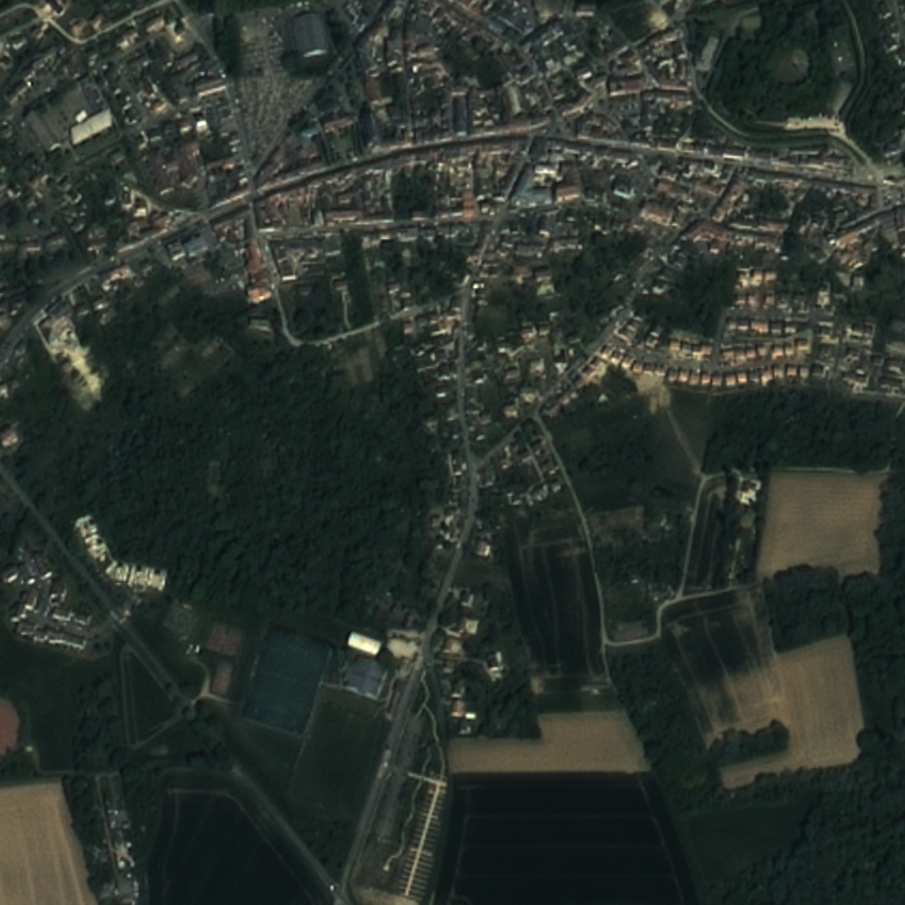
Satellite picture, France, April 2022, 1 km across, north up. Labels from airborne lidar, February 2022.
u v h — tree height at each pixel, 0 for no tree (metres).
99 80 9
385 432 6
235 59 13
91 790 16
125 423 6
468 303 0
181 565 13
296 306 0
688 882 0
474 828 0
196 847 0
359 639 0
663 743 6
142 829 8
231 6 24
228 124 0
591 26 7
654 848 0
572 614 0
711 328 15
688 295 0
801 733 0
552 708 0
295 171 0
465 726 0
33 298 8
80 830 10
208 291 0
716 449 13
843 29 24
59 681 0
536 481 0
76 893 0
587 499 0
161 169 0
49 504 18
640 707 16
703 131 10
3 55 0
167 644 0
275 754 0
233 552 19
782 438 14
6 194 0
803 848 16
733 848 0
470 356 7
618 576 9
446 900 0
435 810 0
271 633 0
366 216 0
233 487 8
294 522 7
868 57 7
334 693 0
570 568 0
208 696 0
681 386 0
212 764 22
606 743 0
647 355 0
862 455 7
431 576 12
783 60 0
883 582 17
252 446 7
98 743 9
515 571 0
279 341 8
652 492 0
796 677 0
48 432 9
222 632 0
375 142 0
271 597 12
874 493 0
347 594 9
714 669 0
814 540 0
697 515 0
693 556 0
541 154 0
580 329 6
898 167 0
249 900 0
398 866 0
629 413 0
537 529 0
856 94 7
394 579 10
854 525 0
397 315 0
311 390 7
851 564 0
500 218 0
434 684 0
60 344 0
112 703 9
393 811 0
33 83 0
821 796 6
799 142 7
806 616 9
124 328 6
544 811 0
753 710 0
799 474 0
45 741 0
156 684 0
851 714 0
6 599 9
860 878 17
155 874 0
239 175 0
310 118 9
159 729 0
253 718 0
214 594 10
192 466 7
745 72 18
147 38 0
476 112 0
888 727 0
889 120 9
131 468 9
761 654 0
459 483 0
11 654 0
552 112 9
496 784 0
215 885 0
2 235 0
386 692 0
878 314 16
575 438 0
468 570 0
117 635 0
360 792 0
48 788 0
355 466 9
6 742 0
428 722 0
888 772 12
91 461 12
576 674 0
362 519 9
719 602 0
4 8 12
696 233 0
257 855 0
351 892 0
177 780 0
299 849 0
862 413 14
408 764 0
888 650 11
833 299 0
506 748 0
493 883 0
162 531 8
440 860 0
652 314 7
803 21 27
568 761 0
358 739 0
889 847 9
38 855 0
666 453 0
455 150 0
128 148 7
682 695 12
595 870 0
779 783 15
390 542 10
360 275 10
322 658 0
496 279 0
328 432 10
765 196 8
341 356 0
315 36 0
